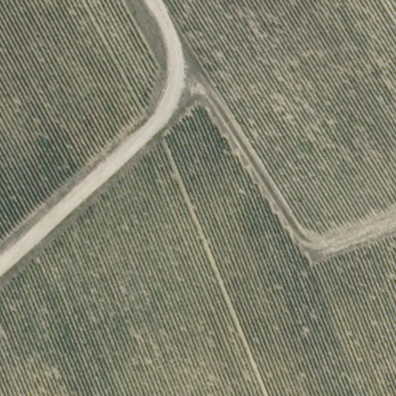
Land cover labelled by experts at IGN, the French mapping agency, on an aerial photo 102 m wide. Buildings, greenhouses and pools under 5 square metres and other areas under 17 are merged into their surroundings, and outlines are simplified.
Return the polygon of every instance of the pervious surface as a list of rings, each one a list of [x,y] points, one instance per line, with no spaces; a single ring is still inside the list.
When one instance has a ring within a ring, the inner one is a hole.
[[[179,96],[184,88],[186,62],[175,26],[162,0],[144,0],[150,12],[155,15],[167,46],[167,84],[155,114],[148,119],[144,127],[139,128],[135,135],[131,135],[128,141],[110,155],[107,161],[99,164],[84,181],[73,187],[73,190],[57,206],[49,210],[36,226],[32,226],[20,240],[15,241],[0,255],[0,275],[15,265],[29,249],[36,246],[49,230],[67,217],[71,210],[76,209],[97,187],[104,184],[119,167],[124,166],[162,125],[169,121],[173,111],[178,107]]]

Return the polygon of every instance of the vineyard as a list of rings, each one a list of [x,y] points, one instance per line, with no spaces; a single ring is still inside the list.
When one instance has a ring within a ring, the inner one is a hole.
[[[178,107],[173,111],[169,121],[162,125],[124,166],[119,167],[104,184],[97,187],[76,209],[71,210],[67,217],[49,230],[36,246],[29,249],[15,265],[0,275],[0,396],[396,396],[396,0],[162,0],[175,26],[186,62],[184,88],[179,96]]]
[[[107,161],[110,155],[128,141],[131,135],[135,135],[139,128],[144,127],[148,119],[155,114],[167,84],[167,46],[155,15],[150,12],[144,0],[0,0],[0,255],[15,241],[20,240],[32,226],[36,226],[49,210],[57,206],[73,190],[73,187],[84,181],[99,164]]]

